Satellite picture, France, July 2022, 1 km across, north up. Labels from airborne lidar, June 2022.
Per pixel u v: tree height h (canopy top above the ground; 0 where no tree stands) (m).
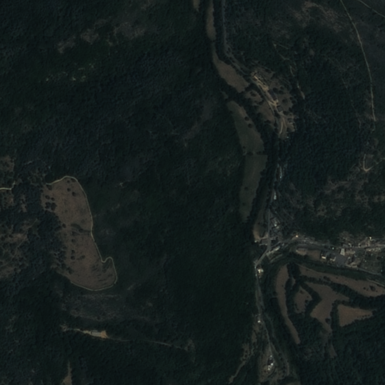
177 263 20
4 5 21
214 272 28
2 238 9
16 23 19
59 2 19
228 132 13
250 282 15
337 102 14
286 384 17
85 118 14
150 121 17
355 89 13
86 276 0
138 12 0
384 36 0
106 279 0
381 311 11
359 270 0
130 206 6
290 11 0
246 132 0
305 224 16
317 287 0
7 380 9
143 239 11
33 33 11
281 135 0
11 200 0
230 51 6
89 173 13
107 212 7
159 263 9
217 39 8
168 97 17
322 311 0
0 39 11
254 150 0
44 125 10
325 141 9
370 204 10
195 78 17
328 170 12
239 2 10
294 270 17
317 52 12
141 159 8
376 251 0
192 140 12
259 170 0
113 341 13
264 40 7
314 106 17
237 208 15
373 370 16
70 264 0
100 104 18
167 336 7
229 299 22
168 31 6
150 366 5
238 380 12
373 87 6
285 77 7
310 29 8
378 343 13
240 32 11
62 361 12
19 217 13
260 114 14
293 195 11
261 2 8
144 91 16
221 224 9
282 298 0
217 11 15
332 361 8
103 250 6
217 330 14
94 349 19
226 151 12
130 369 19
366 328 10
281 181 8
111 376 23
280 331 9
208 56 17
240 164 11
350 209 10
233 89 15
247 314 16
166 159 18
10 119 8
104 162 14
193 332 15
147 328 10
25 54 15
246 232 16
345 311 0
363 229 12
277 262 0
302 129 19
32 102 12
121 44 14
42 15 20
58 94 19
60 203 0
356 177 7
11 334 18
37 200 15
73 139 18
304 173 9
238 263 16
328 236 8
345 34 0
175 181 16
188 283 21
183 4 16
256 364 14
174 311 11
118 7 7
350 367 6
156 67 23
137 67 28
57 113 17
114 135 19
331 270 0
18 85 9
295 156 9
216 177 10
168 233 12
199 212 13
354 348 11
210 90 12
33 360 15
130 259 5
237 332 14
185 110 11
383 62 0
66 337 19
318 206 10
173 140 9
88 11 14
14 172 9
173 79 22
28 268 10
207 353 9
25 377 13
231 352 13
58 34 12
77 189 0
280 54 7
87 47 16
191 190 12
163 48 24
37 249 17
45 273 13
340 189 10
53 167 10
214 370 11
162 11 13
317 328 16
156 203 11
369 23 0
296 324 10
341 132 10
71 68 17
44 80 12
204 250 16
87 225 0
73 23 13
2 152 12
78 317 7
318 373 12
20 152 9
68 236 0
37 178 11
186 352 12
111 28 7
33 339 11
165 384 14
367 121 7
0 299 14
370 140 9
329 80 13
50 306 18
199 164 9
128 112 15
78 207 0
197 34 13
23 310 16
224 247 26
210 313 24
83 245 0
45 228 17
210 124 14
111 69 21
